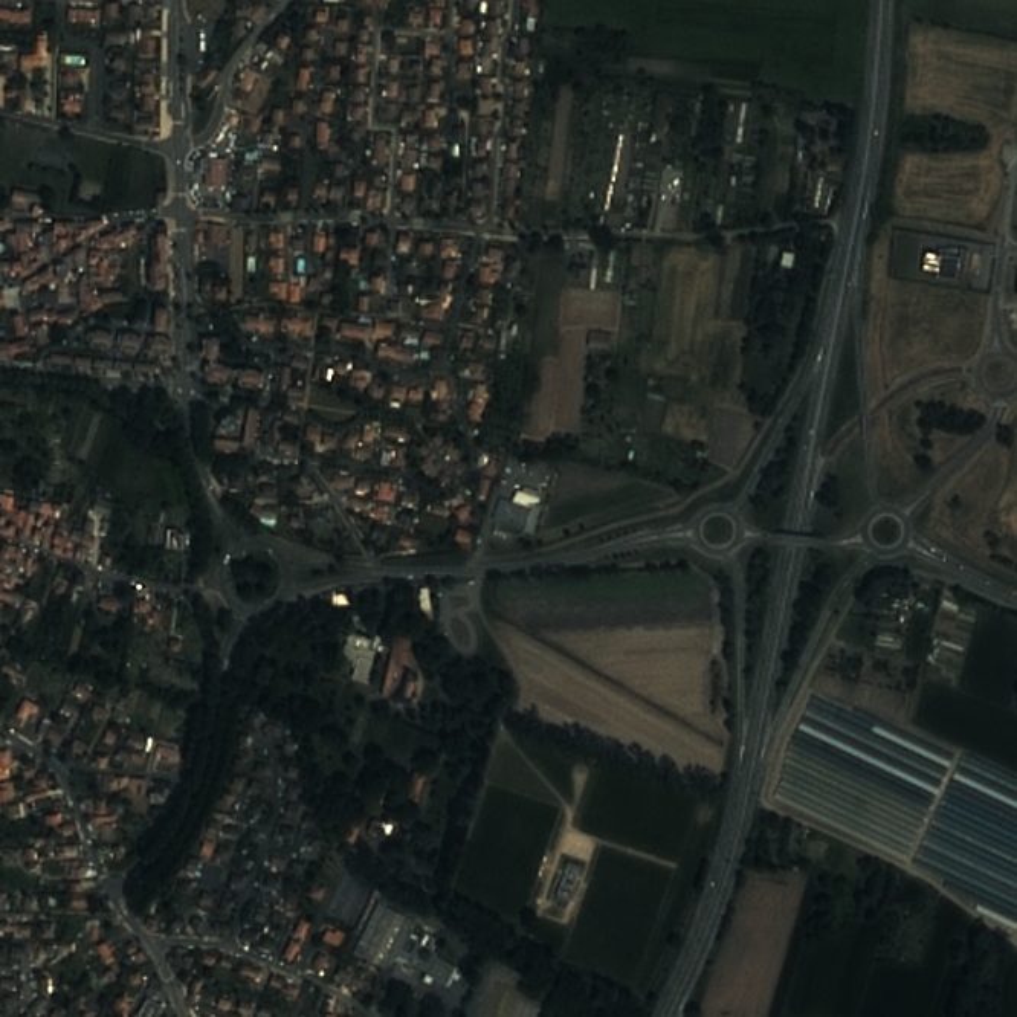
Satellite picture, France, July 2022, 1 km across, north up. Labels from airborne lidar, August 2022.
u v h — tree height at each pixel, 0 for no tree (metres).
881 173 0
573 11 0
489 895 0
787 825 9
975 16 0
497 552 0
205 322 8
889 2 0
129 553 13
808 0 0
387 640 16
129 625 15
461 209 6
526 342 0
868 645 0
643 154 0
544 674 0
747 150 0
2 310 6
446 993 0
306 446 6
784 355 0
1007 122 0
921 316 0
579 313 0
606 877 0
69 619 0
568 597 0
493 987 0
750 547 0
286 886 7
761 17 0
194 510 13
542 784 0
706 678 0
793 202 6
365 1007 8
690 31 0
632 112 0
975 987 15
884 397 0
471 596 0
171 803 12
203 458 18
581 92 8
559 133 0
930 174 0
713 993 0
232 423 0
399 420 7
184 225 0
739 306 0
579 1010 17
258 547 0
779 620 0
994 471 0
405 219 10
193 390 0
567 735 13
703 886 9
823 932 15
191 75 0
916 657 0
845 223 0
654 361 0
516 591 0
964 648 0
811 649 0
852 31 0
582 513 0
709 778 25
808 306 10
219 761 19
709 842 0
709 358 0
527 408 0
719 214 0
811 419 0
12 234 0
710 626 0
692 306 0
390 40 10
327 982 0
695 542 0
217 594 0
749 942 0
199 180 0
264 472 8
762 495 7
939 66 0
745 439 0
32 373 11
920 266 0
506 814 0
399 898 26
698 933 0
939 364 0
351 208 6
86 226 0
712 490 0
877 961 7
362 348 6
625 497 0
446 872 23
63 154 0
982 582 0
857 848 0
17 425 6
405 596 21
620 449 0
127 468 0
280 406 6
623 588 0
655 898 0
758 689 0
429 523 0
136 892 22
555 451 9
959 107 0
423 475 8
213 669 18
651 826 0
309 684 19
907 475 0
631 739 0
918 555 0
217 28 6
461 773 18
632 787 0
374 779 24
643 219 6
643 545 0
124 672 6
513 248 7
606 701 0
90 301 0
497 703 22
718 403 0
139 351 7
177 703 14
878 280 0
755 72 0
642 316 0
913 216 0
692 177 0
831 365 0
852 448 0
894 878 10
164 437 16
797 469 0
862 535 0
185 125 0
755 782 0
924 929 0
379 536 0
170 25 0
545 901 0
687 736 0
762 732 0
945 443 0
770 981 0
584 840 0
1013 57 0
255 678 22
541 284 0
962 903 0
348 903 0
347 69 7
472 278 5
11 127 0
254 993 0
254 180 0
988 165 0
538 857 0
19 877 0
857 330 0
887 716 0
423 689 0
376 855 24
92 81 0
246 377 0
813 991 0
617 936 0
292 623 18
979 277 0
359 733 0
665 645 0
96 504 0
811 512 0
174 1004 0
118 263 0
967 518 0
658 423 0
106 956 0
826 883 10
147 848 20
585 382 6
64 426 0
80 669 16
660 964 0
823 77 0
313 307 11
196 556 17
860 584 9
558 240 12
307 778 6
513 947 28
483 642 0
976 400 0
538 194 0
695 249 0
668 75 0
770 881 0
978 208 0
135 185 0
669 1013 0
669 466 0
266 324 0
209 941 0
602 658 0
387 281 0
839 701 0
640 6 0
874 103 0
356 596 13
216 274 6
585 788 0
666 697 0
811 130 13
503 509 0
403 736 0
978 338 0
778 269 10
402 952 0
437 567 0
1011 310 0
